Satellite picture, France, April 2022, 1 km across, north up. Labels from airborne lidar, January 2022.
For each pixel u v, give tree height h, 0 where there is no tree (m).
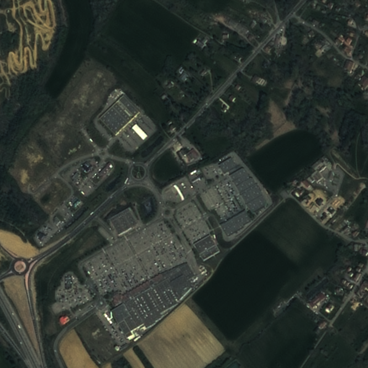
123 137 0
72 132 0
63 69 0
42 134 0
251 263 0
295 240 0
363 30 0
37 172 0
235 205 0
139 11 0
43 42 0
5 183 25
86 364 0
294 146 0
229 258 0
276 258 0
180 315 0
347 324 0
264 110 22
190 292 0
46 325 0
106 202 0
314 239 0
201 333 0
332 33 0
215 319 0
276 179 0
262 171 0
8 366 0
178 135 0
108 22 10
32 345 0
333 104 21
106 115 0
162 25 0
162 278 0
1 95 0
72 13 0
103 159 0
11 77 0
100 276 0
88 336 0
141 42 0
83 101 0
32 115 17
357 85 7
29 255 0
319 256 0
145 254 0
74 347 0
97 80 0
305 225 0
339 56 0
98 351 0
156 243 0
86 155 0
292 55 17
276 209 0
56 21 0
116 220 0
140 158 0
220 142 0
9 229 14
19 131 15
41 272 0
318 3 0
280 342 0
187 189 0
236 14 0
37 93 19
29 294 0
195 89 0
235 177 0
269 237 0
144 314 0
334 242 0
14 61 0
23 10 0
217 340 0
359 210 0
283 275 0
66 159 0
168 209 0
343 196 0
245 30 0
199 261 0
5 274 0
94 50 0
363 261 0
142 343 0
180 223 0
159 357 0
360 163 0
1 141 19
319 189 0
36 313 0
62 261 0
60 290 0
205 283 0
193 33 0
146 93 0
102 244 0
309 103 15
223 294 0
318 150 0
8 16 0
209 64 0
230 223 0
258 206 0
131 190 0
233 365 0
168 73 12
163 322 0
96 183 0
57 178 0
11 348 12
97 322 0
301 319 0
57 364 0
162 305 0
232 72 0
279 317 6
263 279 0
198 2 0
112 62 0
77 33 0
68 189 0
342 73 0
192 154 0
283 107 0
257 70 0
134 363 0
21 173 0
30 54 0
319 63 0
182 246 0
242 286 0
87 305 0
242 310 0
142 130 0
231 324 0
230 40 0
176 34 0
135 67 0
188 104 0
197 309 0
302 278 0
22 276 0
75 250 0
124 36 0
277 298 0
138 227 0
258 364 0
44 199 0
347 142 19
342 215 7
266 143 0
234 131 6
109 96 0
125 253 0
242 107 0
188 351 0
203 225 0
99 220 0
